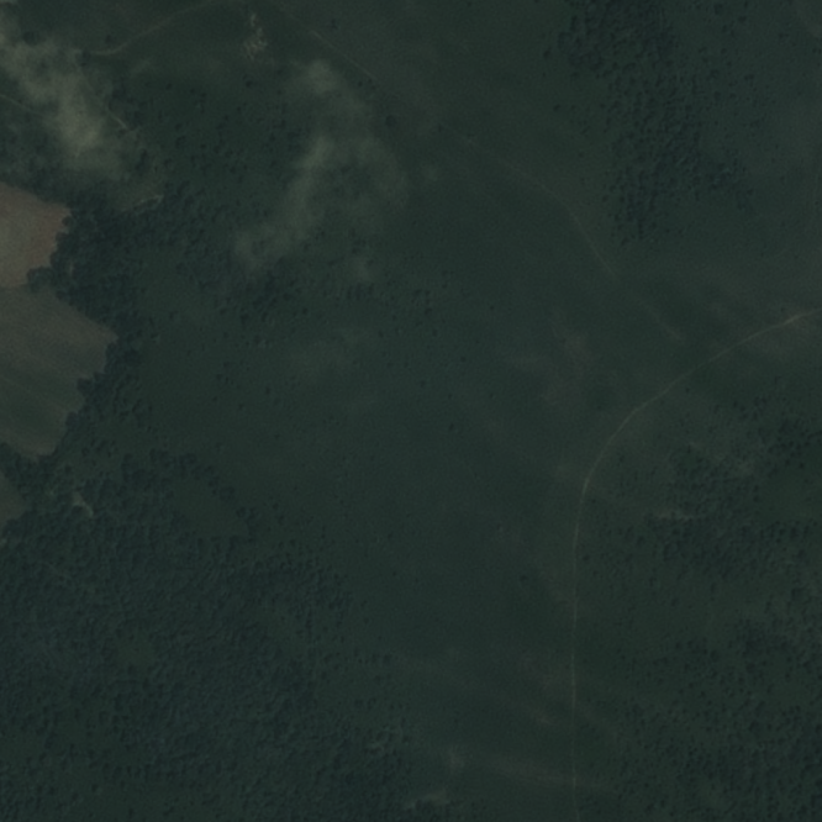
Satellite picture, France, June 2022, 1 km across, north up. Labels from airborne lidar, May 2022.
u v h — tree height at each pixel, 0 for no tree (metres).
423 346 0
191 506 0
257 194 6
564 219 0
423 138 0
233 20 0
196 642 15
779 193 0
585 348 0
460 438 0
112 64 0
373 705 8
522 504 0
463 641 0
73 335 0
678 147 9
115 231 18
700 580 0
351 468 0
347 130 0
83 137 10
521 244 0
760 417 11
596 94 0
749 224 0
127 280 15
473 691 0
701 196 8
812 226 0
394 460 0
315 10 0
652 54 12
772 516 0
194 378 0
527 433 0
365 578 0
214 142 0
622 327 0
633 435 0
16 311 0
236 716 17
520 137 0
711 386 0
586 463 0
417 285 0
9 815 8
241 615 18
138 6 0
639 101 8
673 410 0
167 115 9
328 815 20
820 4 0
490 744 0
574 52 12
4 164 14
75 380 0
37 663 15
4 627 14
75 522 14
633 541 12
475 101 0
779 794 7
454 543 0
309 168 9
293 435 0
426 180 0
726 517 13
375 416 0
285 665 16
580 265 0
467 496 0
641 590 0
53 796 9
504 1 0
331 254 0
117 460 0
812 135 0
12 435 0
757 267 0
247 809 9
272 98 0
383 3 0
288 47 0
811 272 0
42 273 15
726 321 0
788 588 0
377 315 0
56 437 0
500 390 0
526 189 0
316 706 16
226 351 0
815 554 0
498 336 0
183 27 0
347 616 8
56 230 0
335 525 0
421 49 0
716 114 0
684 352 0
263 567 15
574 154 0
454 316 0
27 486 9
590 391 0
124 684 14
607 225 0
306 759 19
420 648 0
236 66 0
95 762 8
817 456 0
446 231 0
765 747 9
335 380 0
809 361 0
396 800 11
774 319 0
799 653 7
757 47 0
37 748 0
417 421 0
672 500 7
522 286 0
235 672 19
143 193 0
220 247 7
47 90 8
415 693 0
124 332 6
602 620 0
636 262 0
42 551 12
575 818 0
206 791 8
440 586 0
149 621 13
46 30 0
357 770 12
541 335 0
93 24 0
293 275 12
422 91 0
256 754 17
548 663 0
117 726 9
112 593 10
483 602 0
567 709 0
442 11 0
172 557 13
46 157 13
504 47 0
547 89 0
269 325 7
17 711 17
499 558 0
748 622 9
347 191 11
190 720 19
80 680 17
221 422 0
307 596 12
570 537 0
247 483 0
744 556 7
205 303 0
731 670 6
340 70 0
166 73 0
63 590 14
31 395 0
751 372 0
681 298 0
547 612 0
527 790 0
